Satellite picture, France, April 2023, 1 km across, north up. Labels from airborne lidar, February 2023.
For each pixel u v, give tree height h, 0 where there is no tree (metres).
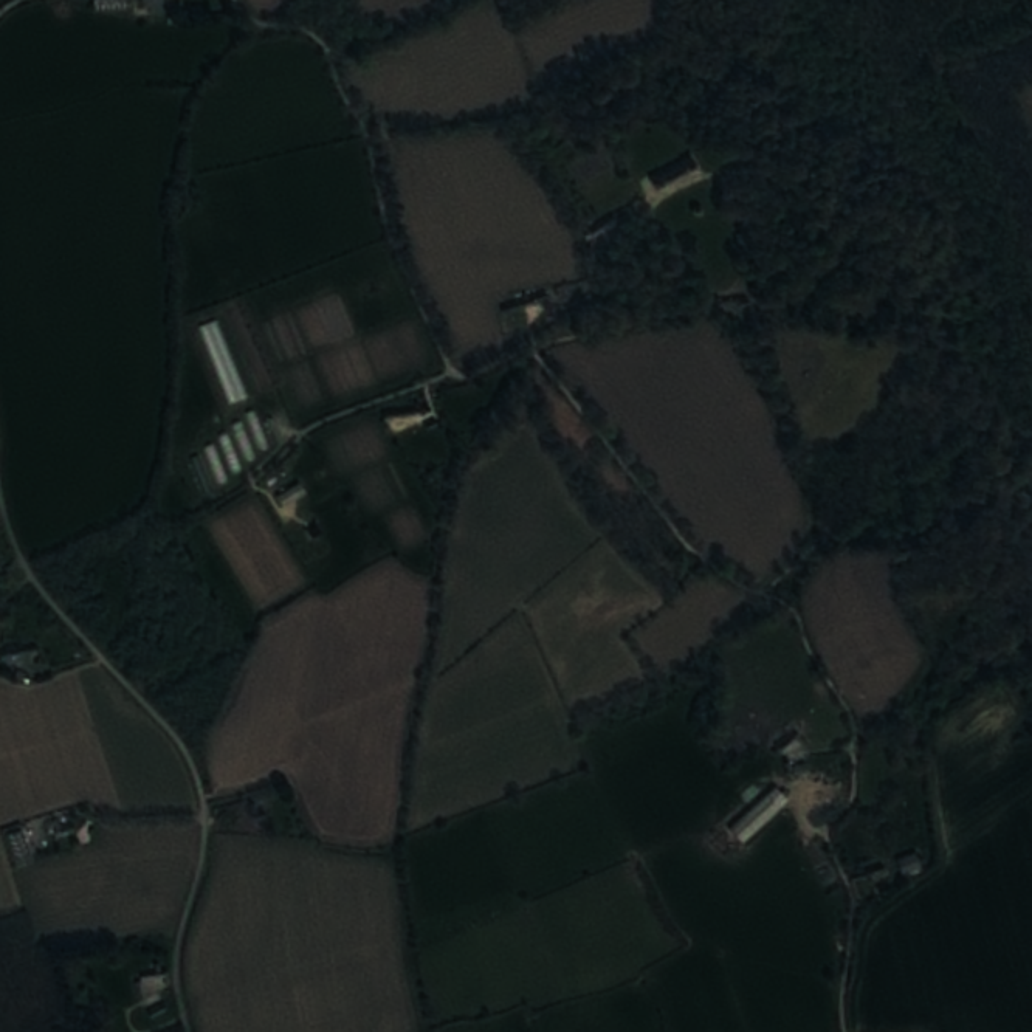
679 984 0
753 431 0
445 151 0
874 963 0
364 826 0
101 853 0
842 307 15
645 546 14
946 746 0
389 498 0
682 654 0
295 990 0
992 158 26
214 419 0
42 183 0
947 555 28
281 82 0
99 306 0
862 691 0
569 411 0
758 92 29
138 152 0
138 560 11
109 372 0
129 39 0
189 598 10
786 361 0
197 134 0
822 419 0
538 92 16
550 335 19
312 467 0
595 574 0
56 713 0
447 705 0
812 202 30
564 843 0
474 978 0
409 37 13
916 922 0
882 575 0
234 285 0
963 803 0
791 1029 0
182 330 8
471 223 0
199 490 0
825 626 0
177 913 0
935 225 27
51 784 0
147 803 0
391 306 0
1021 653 11
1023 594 22
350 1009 0
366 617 0
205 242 0
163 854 0
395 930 0
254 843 0
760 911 0
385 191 15
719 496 0
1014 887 0
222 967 0
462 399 0
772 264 25
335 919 0
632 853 0
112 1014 11
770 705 0
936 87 34
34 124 0
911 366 19
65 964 17
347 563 0
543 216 0
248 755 0
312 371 0
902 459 14
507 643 0
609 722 9
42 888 0
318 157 0
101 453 0
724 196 19
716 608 0
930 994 0
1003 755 0
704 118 20
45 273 0
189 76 0
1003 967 0
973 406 28
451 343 20
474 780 0
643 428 0
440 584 11
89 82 0
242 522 0
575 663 0
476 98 0
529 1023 0
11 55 0
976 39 32
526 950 0
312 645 0
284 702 0
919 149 22
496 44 0
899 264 20
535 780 0
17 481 0
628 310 30
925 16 19
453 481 14
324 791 0
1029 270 26
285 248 0
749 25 24
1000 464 29
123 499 0
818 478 18
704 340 0
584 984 0
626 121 27
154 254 0
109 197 0
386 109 0
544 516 0
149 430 0
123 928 0
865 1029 0
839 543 28
